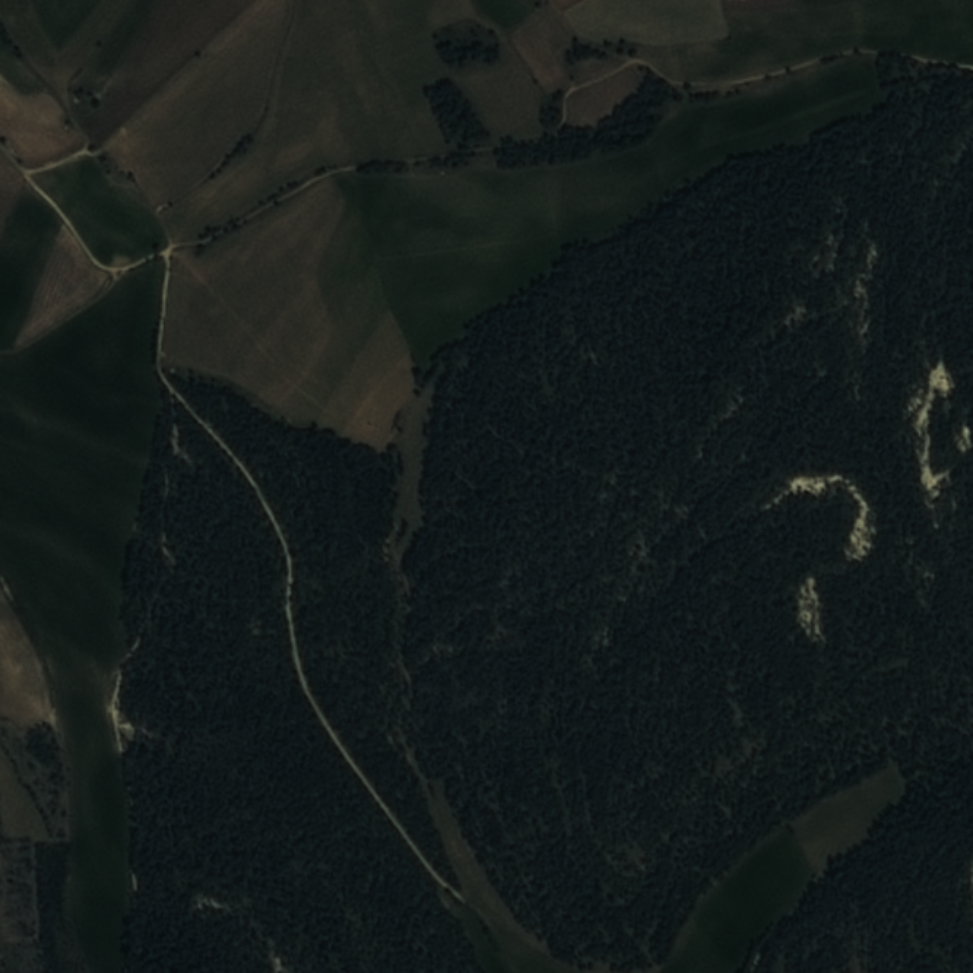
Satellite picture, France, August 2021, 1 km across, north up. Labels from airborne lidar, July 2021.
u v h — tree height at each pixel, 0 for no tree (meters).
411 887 8
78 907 0
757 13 0
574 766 9
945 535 9
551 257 0
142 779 12
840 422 15
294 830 7
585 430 10
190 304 0
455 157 10
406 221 0
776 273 15
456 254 0
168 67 0
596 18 0
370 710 9
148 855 11
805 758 11
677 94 6
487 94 0
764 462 11
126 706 7
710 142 0
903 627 12
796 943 7
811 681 11
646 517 6
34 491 0
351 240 0
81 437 0
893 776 0
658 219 15
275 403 0
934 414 7
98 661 0
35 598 0
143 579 14
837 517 7
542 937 7
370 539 13
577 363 10
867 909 10
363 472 11
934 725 12
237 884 10
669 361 12
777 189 8
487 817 13
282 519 8
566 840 9
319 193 0
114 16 0
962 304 10
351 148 0
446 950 12
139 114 0
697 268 12
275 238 0
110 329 0
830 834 0
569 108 0
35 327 0
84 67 0
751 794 12
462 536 9
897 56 10
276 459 14
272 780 12
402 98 0
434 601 10
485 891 0
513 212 0
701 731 9
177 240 0
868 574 11
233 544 12
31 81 0
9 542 0
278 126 0
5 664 0
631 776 13
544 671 11
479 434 9
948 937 10
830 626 10
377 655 12
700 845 6
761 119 0
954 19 0
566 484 10
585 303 12
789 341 8
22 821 0
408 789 9
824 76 0
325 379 0
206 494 8
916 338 12
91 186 0
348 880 9
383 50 0
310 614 8
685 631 13
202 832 10
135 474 0
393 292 0
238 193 0
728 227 13
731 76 0
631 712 9
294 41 0
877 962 8
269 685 10
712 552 14
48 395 0
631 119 10
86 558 0
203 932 9
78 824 0
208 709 10
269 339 0
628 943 9
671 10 0
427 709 8
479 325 10
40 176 0
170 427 6
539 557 7
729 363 13
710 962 0
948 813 11
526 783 10
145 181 0
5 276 0
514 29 0
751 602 11
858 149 10
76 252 0
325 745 7
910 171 10
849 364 9
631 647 11
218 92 0
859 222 11
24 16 0
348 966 10
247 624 7
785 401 12
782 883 0
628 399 12
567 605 8
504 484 11
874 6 0
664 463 10
